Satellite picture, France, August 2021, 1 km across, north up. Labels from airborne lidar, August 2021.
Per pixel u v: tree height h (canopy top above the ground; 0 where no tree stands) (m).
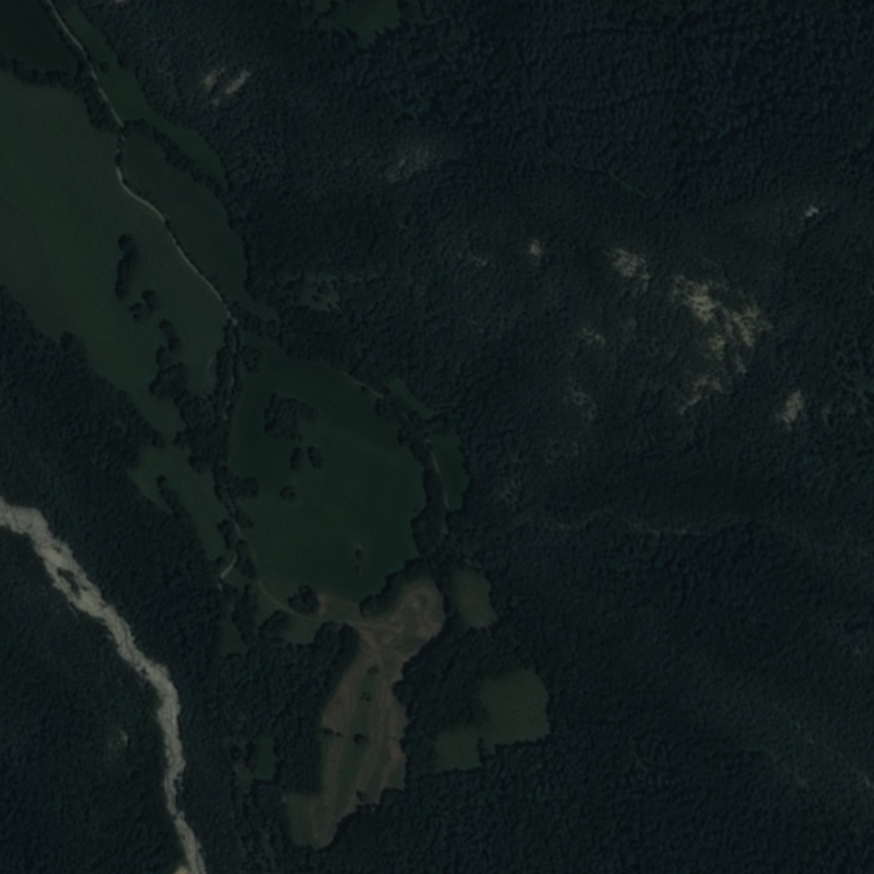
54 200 0
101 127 20
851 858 17
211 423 13
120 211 0
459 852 29
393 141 14
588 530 12
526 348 19
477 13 21
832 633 9
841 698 12
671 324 11
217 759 10
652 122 31
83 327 0
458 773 7
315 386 0
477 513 14
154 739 7
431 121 17
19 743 8
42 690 21
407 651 0
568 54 26
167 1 14
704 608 26
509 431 11
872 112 31
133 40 8
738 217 11
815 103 32
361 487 0
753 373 15
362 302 17
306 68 18
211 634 23
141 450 12
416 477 0
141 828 26
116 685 10
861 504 16
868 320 15
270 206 15
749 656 19
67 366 23
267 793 22
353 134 12
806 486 32
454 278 12
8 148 0
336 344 24
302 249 16
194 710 8
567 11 33
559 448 12
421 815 19
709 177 28
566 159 20
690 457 19
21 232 0
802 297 15
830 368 17
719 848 28
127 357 0
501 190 23
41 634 11
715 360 6
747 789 27
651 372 10
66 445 14
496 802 16
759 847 29
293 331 11
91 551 11
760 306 7
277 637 9
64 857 20
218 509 0
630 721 25
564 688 22
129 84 0
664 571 20
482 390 21
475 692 25
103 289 0
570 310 13
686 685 11
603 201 22
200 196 0
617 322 14
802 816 24
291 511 0
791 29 19
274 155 10
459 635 23
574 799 19
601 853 21
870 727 8
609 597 17
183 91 14
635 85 33
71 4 8
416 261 7
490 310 13
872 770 13
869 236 11
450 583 18
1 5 0
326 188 13
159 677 0
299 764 17
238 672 15
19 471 12
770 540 23
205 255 0
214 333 0
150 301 18
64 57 0
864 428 15
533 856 21
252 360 10
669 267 13
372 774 0
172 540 23
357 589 0
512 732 0
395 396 13
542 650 21
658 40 27
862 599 17
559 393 9
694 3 16
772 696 11
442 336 15
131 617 11
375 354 17
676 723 21
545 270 13
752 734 7
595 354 10
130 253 15
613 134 25
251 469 0
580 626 18
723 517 11
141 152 0
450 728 15
